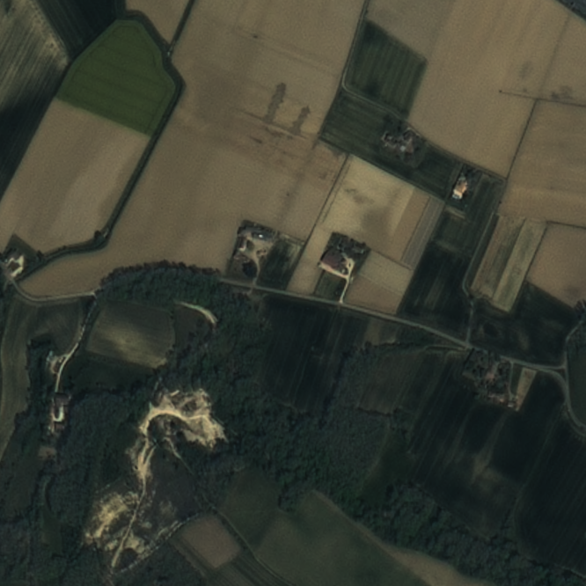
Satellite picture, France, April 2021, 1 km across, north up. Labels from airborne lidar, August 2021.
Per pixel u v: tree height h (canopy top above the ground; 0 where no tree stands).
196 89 0
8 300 23
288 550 0
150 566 10
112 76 0
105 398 22
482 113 0
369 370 16
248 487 0
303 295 0
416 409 0
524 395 0
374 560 0
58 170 0
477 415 0
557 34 0
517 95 0
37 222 0
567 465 0
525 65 0
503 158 0
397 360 0
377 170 0
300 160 0
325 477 21
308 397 0
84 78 0
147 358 0
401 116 0
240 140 0
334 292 0
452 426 0
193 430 0
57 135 0
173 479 0
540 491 0
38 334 0
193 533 0
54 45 0
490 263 0
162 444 15
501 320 0
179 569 16
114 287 16
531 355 0
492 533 0
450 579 0
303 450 24
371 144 0
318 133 0
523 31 0
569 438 0
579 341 9
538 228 0
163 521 0
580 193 0
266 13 0
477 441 0
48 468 7
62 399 0
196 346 16
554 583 26
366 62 0
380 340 0
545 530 0
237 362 6
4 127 0
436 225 0
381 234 0
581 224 0
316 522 0
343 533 0
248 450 16
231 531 7
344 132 0
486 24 0
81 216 0
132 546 0
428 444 0
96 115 0
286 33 0
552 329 0
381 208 0
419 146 10
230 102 0
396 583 0
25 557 10
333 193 0
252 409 20
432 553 9
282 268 0
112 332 0
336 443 24
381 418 18
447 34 0
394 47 0
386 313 0
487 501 0
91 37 0
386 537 13
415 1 0
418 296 0
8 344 0
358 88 0
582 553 0
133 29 0
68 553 9
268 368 0
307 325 0
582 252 0
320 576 0
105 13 0
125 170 0
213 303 18
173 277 27
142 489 0
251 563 0
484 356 10
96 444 11
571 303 0
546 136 0
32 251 0
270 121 0
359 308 0
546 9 0
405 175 0
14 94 0
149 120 0
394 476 0
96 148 0
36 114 0
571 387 0
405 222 0
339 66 0
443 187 0
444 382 0
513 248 0
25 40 0
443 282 0
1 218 0
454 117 0
